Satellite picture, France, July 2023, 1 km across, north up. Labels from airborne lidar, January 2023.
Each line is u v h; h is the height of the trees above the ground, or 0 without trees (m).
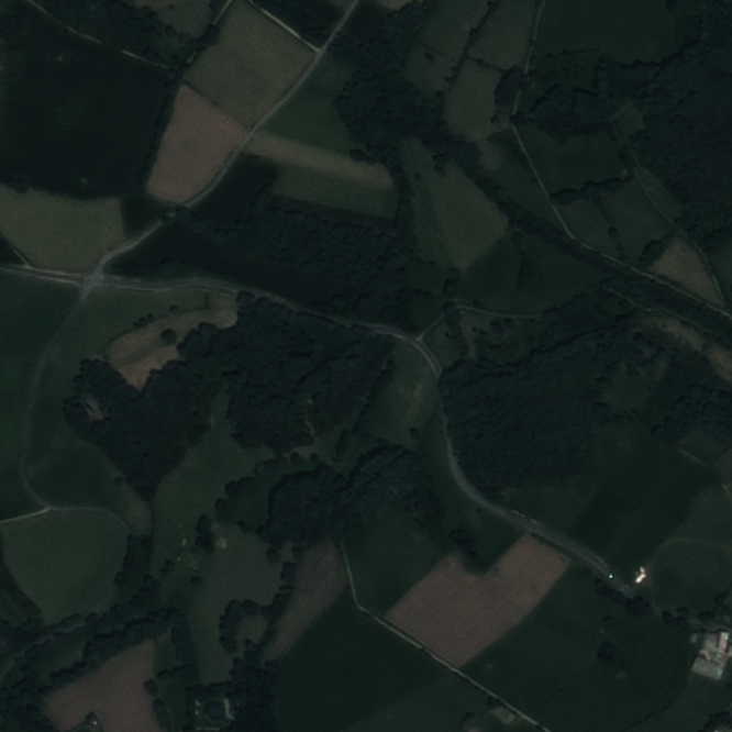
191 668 21
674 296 6
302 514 22
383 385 13
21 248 0
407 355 0
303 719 0
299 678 0
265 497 0
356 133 14
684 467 0
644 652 0
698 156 20
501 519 0
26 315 0
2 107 0
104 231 0
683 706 0
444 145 11
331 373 18
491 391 23
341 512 18
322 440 0
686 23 0
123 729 0
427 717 0
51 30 0
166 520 0
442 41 0
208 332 28
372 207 0
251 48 0
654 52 0
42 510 0
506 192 10
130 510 0
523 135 0
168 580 0
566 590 0
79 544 0
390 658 0
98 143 0
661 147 15
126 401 18
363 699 0
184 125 0
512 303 0
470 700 0
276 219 21
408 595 0
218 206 0
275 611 14
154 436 29
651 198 0
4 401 0
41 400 0
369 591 0
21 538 0
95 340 0
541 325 18
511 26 0
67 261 0
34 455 0
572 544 0
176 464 23
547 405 27
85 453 0
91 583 0
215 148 0
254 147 0
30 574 0
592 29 0
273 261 12
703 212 9
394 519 0
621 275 10
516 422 23
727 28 18
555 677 0
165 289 0
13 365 0
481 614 0
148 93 0
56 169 0
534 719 0
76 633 8
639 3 0
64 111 0
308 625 0
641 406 0
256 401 27
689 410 17
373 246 25
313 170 0
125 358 0
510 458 19
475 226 0
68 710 0
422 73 0
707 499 0
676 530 0
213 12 9
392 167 18
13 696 8
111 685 0
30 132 0
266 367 26
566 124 10
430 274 0
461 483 0
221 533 0
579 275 0
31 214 0
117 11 26
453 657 0
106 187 0
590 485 0
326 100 0
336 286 0
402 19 21
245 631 0
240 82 0
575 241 7
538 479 11
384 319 7
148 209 0
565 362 28
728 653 0
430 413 0
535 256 0
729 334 9
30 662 13
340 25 0
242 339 27
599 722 0
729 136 22
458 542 8
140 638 24
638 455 0
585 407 23
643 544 0
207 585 0
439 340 0
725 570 0
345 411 21
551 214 0
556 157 0
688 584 0
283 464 21
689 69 30
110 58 0
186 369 27
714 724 14
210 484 0
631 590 0
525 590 0
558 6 0
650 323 0
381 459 30
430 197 0
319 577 0
